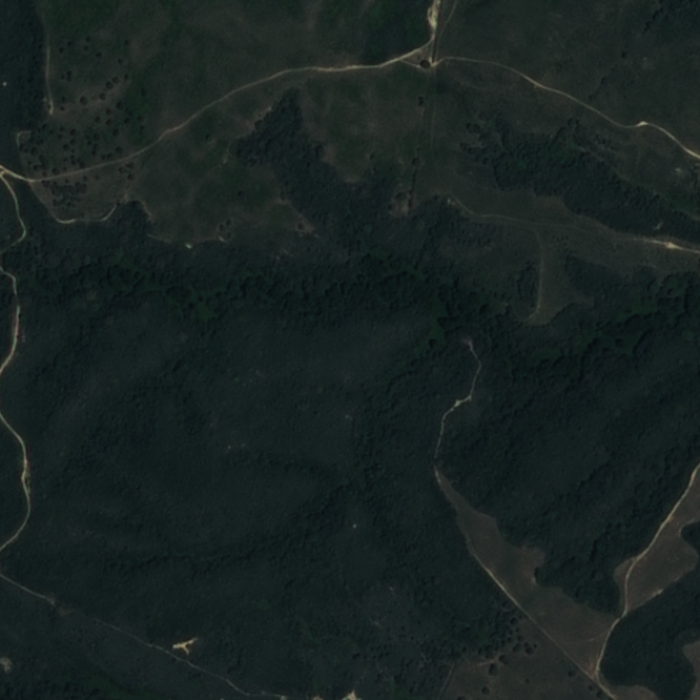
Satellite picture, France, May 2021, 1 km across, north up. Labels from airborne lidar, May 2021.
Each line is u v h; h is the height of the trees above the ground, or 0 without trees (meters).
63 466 6
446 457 11
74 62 0
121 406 6
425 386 6
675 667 7
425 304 15
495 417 14
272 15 0
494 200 0
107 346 6
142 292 11
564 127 8
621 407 8
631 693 0
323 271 10
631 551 9
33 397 10
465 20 0
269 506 7
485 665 0
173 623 8
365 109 0
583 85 0
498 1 0
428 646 7
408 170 0
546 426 7
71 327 10
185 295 14
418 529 7
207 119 0
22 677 7
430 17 0
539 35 0
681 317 15
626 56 9
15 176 0
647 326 16
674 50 0
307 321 10
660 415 14
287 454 5
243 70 0
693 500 0
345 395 8
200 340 6
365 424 7
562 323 5
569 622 0
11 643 7
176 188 0
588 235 0
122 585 6
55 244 6
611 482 7
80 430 7
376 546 9
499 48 0
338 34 0
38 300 9
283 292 9
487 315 18
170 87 0
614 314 6
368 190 7
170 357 7
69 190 7
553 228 0
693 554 0
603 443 10
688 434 7
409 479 6
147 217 6
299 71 0
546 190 8
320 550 7
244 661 7
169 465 7
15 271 10
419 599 13
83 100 7
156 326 6
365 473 6
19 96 6
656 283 12
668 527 0
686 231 7
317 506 10
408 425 6
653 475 6
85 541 7
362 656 9
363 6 0
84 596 6
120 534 7
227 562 7
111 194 0
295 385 10
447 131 0
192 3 0
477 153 10
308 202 6
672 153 0
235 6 0
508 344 15
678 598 5
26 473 0
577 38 0
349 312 9
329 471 11
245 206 0
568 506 7
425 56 0
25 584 6
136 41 0
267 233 0
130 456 6
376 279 15
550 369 16
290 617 6
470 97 0
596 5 0
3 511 6
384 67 0
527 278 6
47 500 7
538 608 0
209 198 0
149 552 8
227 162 0
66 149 7
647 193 11
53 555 8
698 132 0
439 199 10
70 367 5
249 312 6
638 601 0
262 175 0
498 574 0
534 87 0
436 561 9
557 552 7
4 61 9
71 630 6
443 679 7
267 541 11
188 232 0
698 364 6
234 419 7
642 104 0
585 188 7
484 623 9
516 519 8
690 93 0
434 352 6
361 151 0
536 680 0
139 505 7
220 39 0
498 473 12
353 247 12
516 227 0
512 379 12
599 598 8
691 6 8
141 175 0
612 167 9
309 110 0
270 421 6
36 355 6
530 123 0
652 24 9
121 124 0
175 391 10
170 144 0
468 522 0
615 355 15
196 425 10
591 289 7
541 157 14
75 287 15
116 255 13
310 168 5
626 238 0
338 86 0
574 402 11
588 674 0
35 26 9
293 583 12
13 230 7
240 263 7
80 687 13
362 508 6
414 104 0
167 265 11
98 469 7
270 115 8
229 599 5
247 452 7
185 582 8
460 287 20
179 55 0
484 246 8
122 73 0
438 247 7
